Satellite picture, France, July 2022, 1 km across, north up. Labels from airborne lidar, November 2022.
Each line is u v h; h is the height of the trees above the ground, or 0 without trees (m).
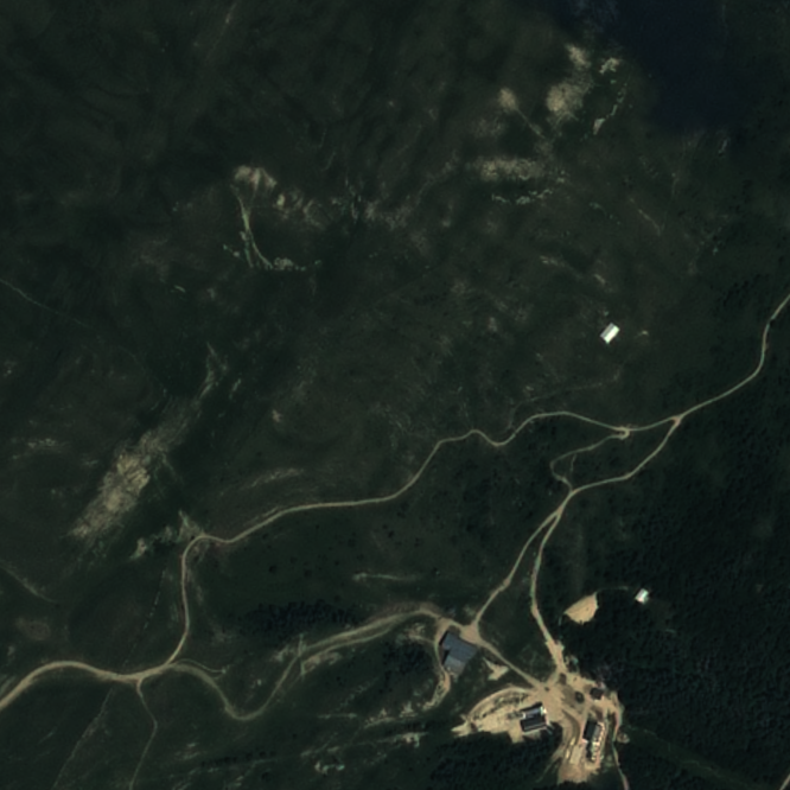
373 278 0
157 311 0
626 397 0
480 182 0
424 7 0
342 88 0
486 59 0
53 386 0
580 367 0
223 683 0
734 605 22
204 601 0
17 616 0
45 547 0
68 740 0
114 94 0
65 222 0
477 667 0
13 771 0
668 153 0
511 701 0
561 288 0
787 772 19
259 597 0
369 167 0
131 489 0
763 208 0
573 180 0
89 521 0
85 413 0
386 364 0
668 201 0
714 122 0
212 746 0
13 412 0
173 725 0
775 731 22
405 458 0
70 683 0
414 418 0
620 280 0
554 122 0
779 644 18
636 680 24
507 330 0
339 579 0
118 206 0
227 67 0
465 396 0
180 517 0
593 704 0
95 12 0
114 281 0
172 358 0
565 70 0
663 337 0
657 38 0
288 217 0
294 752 0
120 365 0
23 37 0
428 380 0
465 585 0
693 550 19
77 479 0
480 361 0
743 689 22
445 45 0
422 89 0
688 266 0
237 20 0
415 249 0
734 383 0
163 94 0
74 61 0
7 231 0
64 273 0
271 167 0
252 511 0
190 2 0
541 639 0
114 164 0
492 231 0
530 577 0
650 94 0
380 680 0
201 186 0
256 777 0
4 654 0
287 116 0
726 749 21
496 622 0
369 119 0
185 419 0
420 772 0
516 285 0
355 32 0
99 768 0
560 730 16
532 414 0
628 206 0
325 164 0
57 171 0
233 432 0
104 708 0
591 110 0
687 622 17
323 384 0
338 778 0
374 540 0
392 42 0
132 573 0
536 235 0
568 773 0
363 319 0
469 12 0
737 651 21
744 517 16
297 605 6
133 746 0
